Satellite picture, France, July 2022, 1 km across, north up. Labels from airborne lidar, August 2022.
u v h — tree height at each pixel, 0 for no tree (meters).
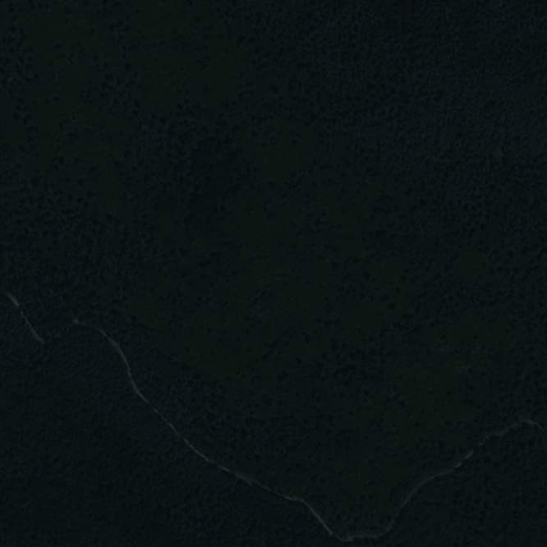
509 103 16
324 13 17
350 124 22
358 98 20
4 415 20
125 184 13
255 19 10
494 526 8
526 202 23
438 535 9
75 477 16
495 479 8
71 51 6
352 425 9
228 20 9
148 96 6
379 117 10
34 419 17
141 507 19
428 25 15
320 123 20
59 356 21
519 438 9
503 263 15
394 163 16
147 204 13
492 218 10
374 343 8
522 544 19
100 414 20
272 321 6
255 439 9
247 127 7
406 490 17
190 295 7
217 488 22
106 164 5
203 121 9
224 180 28
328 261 7
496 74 22
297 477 9
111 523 20
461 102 19
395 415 6
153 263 23
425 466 16
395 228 19
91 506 20
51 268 21
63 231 23
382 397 6
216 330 6
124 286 11
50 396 18
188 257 18
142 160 24
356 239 7
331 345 9
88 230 8
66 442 17
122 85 20
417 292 11
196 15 8
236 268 8
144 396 21
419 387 5
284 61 18
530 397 9
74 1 14
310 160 7
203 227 8
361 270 8
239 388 9
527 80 15
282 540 11
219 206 8
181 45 19
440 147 20
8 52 6
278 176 6
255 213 6
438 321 16
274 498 20
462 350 12
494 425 15
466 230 27
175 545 22
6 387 23
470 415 13
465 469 15
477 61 16
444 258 9
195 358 8
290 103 8
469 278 6
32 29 7
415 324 9
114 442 21
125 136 6
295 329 7
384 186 8
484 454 10
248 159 6
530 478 16
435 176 18
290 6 19
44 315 7
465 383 9
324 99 9
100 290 12
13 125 6
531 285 6
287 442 9
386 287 5
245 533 8
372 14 18
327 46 9
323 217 7
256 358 9
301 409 10
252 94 15
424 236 16
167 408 22
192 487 17
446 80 23
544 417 9
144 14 6
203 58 7
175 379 22
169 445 20
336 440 18
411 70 29
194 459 25
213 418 34
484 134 22
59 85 5
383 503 6
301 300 6
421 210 17
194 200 29
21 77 18
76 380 23
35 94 5
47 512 21
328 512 6
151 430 23
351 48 10
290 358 7
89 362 26
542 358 9
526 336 6
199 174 28
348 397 7
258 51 20
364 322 8
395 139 20
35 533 25
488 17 21
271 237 6
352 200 6
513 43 20
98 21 6
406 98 19
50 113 6
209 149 30
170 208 7
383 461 7
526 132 22
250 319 14
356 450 7
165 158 9
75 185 8
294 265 6
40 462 11
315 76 17
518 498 15
